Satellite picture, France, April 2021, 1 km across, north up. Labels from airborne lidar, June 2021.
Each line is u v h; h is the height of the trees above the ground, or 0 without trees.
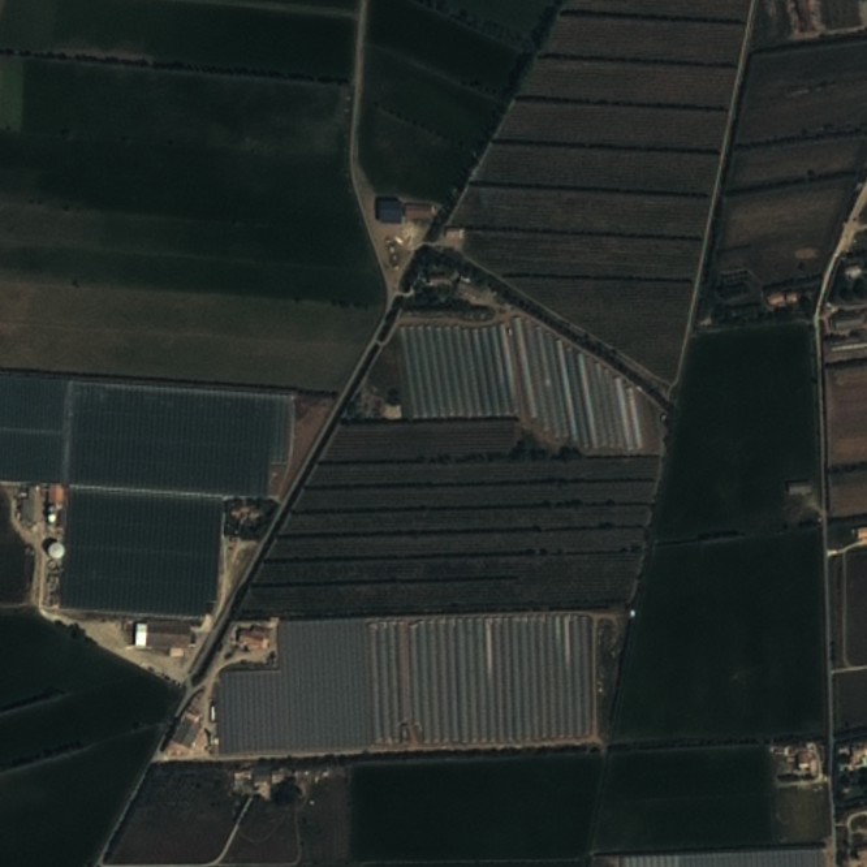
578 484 9
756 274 0
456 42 0
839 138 7
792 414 0
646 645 0
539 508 8
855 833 0
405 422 10
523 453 16
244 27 0
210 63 0
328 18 0
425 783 0
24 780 0
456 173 0
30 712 0
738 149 10
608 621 0
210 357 0
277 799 14
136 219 0
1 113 0
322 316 0
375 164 0
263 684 0
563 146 9
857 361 7
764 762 0
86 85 0
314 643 0
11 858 0
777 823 0
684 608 0
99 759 0
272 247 0
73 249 0
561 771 0
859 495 0
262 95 0
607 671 0
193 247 0
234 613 8
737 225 0
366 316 0
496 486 8
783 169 0
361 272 0
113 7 0
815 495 0
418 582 7
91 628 0
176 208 0
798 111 0
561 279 8
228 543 0
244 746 0
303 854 0
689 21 10
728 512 0
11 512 0
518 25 0
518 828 0
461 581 8
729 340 0
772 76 0
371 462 7
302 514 6
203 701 0
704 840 0
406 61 0
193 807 0
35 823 0
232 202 0
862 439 0
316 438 0
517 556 9
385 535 9
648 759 0
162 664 0
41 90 0
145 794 7
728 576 0
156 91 0
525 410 0
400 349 0
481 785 0
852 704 0
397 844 0
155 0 0
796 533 0
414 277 12
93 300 0
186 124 0
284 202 0
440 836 0
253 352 0
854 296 9
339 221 0
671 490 0
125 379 8
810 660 0
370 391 0
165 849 0
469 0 0
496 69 0
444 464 12
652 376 0
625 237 8
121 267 0
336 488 8
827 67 0
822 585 0
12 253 0
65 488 0
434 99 0
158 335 0
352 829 0
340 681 0
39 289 0
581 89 0
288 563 9
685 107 7
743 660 0
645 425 0
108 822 0
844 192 0
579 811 0
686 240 9
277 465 0
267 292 0
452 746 0
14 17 0
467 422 9
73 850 0
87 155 0
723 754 0
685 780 0
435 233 7
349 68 0
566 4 19
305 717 0
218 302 0
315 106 0
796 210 0
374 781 0
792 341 0
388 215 0
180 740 0
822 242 0
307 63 0
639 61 7
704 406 0
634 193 8
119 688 0
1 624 0
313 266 0
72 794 0
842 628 0
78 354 0
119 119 0
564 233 7
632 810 0
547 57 8
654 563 0
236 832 0
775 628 0
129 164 0
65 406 0
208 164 0
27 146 0
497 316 0
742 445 0
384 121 0
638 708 0
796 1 0
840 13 0
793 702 0
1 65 0
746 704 0
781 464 0
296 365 0
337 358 0
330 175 0
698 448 0
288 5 0
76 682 0
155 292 0
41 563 0
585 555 6
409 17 0
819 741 6
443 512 8
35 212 0
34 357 0
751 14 0
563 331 14
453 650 0
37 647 0
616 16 10
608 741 0
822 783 0
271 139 0
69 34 0
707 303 6
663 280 8
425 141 0
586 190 9
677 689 0
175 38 0
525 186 8
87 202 0
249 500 6
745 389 0
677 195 8
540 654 0
